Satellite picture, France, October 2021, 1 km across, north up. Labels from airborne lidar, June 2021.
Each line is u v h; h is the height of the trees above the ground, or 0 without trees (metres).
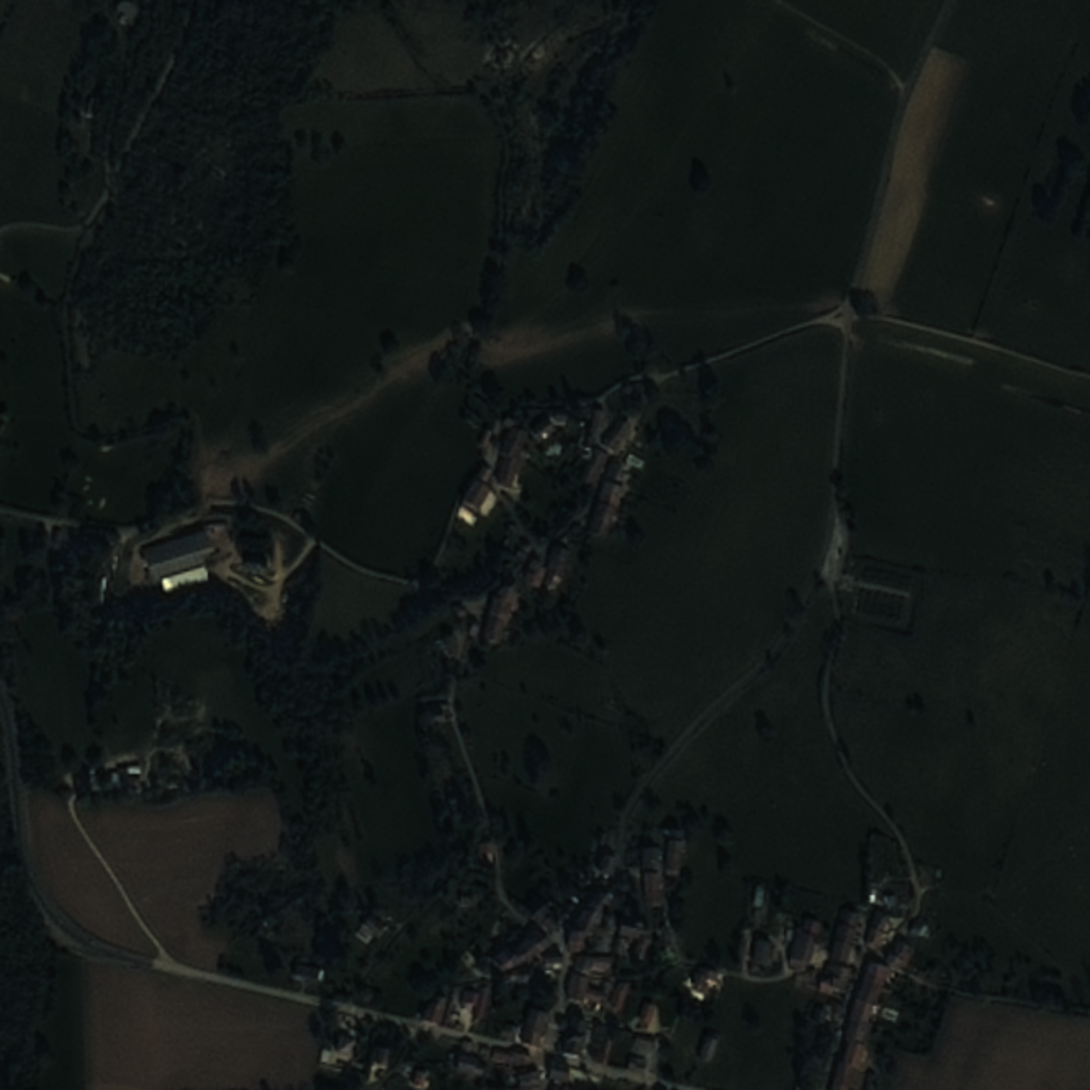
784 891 9
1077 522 0
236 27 13
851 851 0
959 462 0
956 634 0
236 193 6
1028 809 0
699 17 0
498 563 16
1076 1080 0
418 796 0
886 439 0
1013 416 0
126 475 0
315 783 12
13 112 0
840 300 0
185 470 12
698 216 0
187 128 9
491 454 0
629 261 0
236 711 0
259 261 15
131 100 18
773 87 0
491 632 0
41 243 0
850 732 0
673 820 0
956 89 0
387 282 0
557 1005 0
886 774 0
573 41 6
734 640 0
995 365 0
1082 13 0
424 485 0
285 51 19
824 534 0
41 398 0
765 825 0
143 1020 0
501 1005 8
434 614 17
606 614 0
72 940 0
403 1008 0
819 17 0
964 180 0
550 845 0
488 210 0
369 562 0
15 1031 18
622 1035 16
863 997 0
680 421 0
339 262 0
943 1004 7
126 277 12
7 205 0
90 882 0
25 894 20
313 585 12
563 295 0
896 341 0
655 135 0
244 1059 0
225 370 0
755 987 0
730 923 0
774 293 0
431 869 13
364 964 6
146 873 0
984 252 0
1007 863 0
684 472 0
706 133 0
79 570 7
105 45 11
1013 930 0
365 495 0
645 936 0
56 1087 0
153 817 0
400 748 0
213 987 0
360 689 0
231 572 0
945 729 0
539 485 0
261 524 6
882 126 0
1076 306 0
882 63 0
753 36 0
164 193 6
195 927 0
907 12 0
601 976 0
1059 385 0
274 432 0
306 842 6
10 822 7
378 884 8
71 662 0
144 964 0
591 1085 0
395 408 0
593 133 11
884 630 0
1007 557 0
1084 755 0
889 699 0
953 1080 0
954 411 0
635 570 0
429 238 0
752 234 0
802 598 0
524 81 6
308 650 18
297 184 14
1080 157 8
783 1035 0
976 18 0
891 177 0
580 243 0
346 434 0
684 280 0
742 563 0
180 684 0
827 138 0
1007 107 0
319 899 7
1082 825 0
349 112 0
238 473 0
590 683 0
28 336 0
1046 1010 18
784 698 0
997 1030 0
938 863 0
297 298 0
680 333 0
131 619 7
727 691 0
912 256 0
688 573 0
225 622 11
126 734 0
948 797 0
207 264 6
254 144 9
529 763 0
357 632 0
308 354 0
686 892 8
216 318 15
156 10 10
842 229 0
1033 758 0
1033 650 0
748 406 0
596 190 0
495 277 17
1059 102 0
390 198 0
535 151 9
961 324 0
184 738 0
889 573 0
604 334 0
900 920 0
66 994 0
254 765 17
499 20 7
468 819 26
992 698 0
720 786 0
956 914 0
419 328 0
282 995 0
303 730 14
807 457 0
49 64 0
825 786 0
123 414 0
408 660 0
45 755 17
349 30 0
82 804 13
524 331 0
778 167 0
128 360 0
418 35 0
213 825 0
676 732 0
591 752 0
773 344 0
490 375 0
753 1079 0
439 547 0
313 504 0
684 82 0
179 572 0
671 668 0
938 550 0
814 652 0
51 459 0
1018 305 0
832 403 0
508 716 0
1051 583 10
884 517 0
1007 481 0
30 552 15
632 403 8
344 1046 0
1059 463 0
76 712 0
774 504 0
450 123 0
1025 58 0
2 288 0
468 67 0
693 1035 0
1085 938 0
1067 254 0
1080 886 0
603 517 0
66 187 7
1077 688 0
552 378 0
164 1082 0
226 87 13
